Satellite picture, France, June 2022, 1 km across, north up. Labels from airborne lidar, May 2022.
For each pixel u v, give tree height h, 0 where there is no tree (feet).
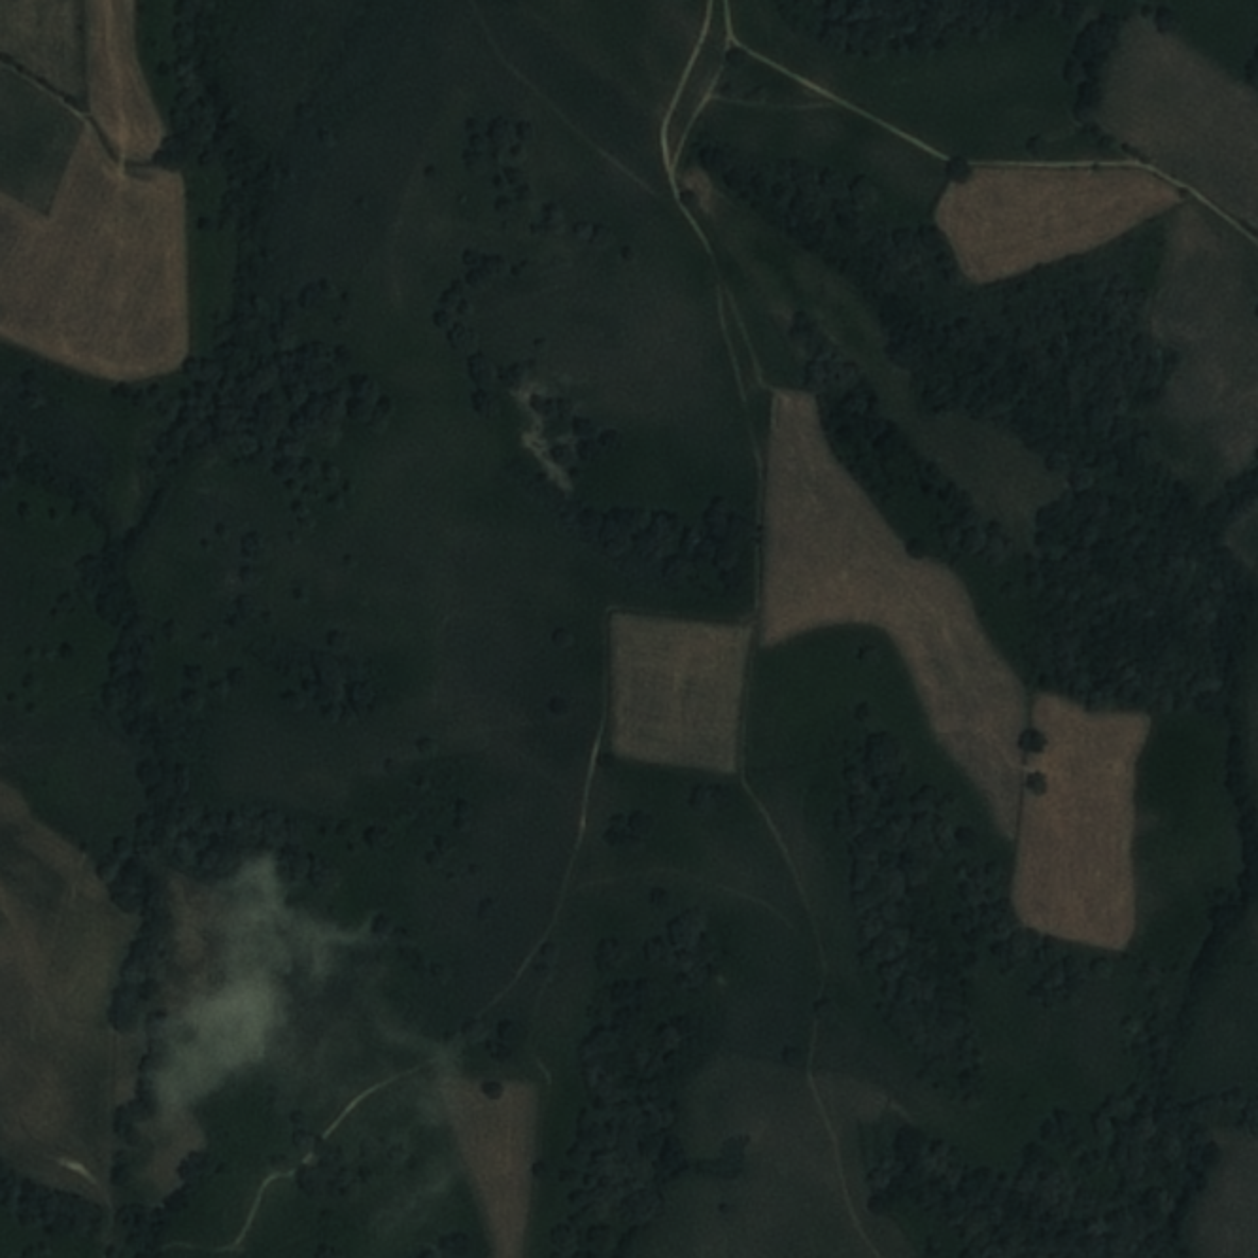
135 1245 40
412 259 0
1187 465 0
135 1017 74
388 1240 0
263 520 0
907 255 54
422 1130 0
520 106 0
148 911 56
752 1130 0
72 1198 33
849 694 0
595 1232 43
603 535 35
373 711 39
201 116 47
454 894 0
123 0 0
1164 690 54
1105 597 56
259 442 47
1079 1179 23
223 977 0
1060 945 26
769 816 0
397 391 0
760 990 0
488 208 0
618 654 0
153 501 27
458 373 0
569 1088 0
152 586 0
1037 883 0
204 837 41
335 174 0
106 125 0
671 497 0
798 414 0
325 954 0
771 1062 0
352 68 0
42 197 0
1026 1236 44
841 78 0
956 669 0
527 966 0
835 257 29
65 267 0
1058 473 35
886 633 0
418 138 0
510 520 0
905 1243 0
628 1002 48
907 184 0
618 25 0
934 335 49
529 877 0
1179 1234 42
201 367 59
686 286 0
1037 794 29
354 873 0
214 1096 0
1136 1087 31
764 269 0
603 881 0
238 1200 0
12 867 0
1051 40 0
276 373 54
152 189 0
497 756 0
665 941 43
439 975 35
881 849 55
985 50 0
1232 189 0
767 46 0
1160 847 0
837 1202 0
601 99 0
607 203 0
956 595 0
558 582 0
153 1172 0
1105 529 54
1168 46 0
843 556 0
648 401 0
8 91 0
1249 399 0
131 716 33
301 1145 41
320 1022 0
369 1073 0
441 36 0
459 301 32
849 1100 0
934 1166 58
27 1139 0
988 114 0
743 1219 0
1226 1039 0
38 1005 0
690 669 0
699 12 0
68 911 0
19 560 0
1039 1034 0
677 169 0
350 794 0
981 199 0
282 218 0
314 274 0
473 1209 0
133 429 0
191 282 0
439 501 0
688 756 0
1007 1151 0
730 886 0
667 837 0
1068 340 42
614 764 29
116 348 0
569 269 0
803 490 0
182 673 0
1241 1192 0
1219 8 0
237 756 0
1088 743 0
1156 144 0
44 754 0
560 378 0
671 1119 51
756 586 0
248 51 0
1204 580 31
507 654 0
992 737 0
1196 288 0
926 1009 78
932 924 41
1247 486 33
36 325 0
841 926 0
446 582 0
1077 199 0
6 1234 0
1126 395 34
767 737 0
